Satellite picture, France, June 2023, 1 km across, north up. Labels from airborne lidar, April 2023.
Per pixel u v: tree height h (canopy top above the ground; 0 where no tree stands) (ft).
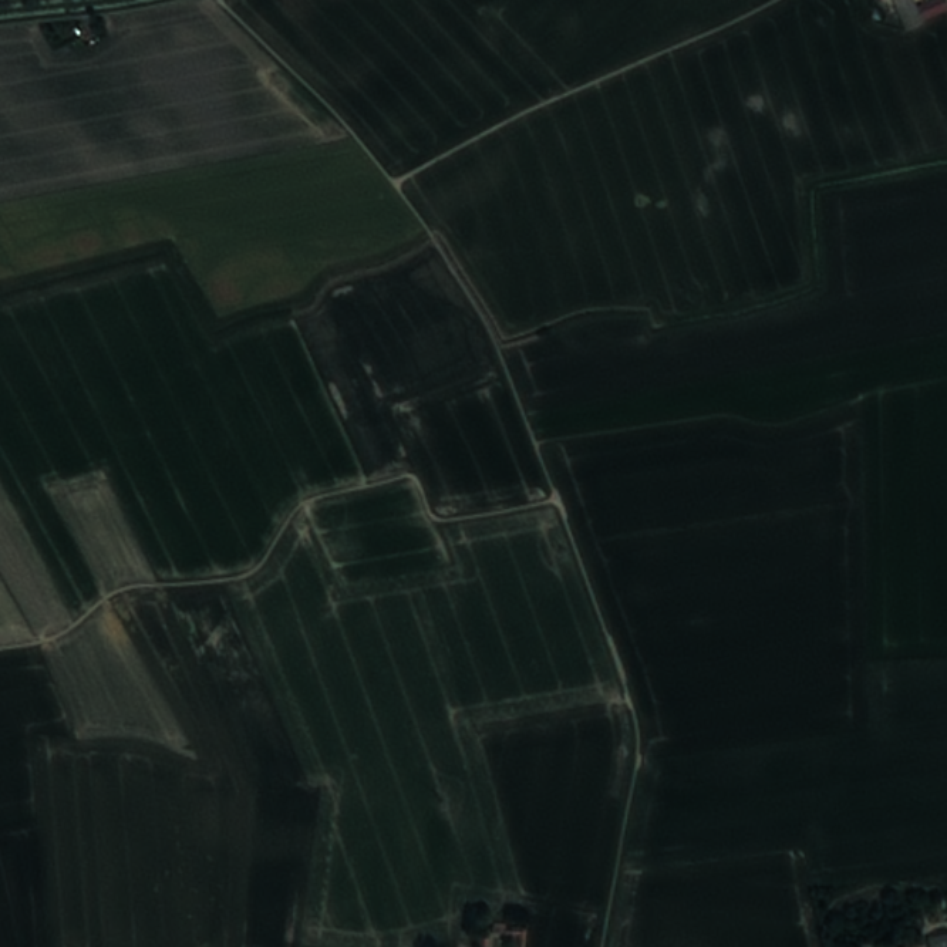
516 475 0
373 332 0
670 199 0
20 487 0
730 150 0
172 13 0
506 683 0
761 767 0
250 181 0
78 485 0
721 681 0
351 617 0
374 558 0
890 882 0
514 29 0
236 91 0
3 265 0
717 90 0
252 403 0
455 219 0
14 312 0
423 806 0
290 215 0
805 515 0
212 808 0
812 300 0
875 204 0
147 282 0
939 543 0
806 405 0
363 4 0
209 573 0
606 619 0
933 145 0
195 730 0
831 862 0
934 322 0
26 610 0
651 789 0
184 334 0
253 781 0
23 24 0
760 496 0
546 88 0
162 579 0
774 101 0
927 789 0
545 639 0
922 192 0
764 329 0
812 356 0
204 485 0
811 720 0
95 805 0
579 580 0
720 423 0
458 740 0
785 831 0
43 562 0
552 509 0
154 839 0
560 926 0
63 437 0
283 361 0
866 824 0
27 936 0
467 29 0
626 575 0
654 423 0
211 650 0
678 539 0
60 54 0
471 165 0
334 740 0
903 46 0
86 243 0
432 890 0
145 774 0
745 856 0
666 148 0
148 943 0
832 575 0
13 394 0
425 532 0
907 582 0
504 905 0
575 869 0
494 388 0
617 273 0
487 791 0
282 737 0
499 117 0
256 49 0
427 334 0
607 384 0
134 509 0
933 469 0
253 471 0
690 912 0
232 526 0
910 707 0
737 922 0
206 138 0
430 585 0
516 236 0
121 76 0
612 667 0
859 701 0
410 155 0
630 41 0
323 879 0
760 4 0
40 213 0
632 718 0
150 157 0
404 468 0
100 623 0
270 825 0
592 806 0
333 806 0
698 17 0
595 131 0
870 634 0
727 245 0
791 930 0
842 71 0
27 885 0
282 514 0
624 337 0
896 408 0
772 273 0
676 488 0
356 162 0
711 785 0
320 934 0
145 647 0
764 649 0
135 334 0
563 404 0
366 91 0
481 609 0
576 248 0
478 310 0
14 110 0
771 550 0
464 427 0
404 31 0
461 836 0
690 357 0
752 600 0
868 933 30
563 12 0
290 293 0
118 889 0
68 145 0
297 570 0
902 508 0
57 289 0
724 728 0
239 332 0
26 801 0
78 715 0
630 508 0
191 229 0
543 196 0
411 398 0
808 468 0
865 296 0
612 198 0
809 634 0
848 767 0
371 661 0
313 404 0
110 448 0
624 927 0
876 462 0
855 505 0
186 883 0
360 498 0
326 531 0
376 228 0
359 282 0
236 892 0
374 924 0
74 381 0
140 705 0
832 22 0
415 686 0
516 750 0
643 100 0
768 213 0
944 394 0
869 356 0
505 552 0
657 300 0
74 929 0
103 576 0
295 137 0
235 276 0
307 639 0
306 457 0
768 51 0
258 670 0
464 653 0
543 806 0
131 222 0
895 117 0
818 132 0
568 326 0
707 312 0
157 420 0
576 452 0
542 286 0
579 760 0
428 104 0
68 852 0
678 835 0
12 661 0
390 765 0
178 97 0
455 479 0
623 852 0
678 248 0
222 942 0
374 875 0
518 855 0
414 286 0
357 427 0
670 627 0
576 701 0
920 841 0
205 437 0
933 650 0
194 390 0
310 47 0
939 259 0
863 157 0
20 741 0
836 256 0
